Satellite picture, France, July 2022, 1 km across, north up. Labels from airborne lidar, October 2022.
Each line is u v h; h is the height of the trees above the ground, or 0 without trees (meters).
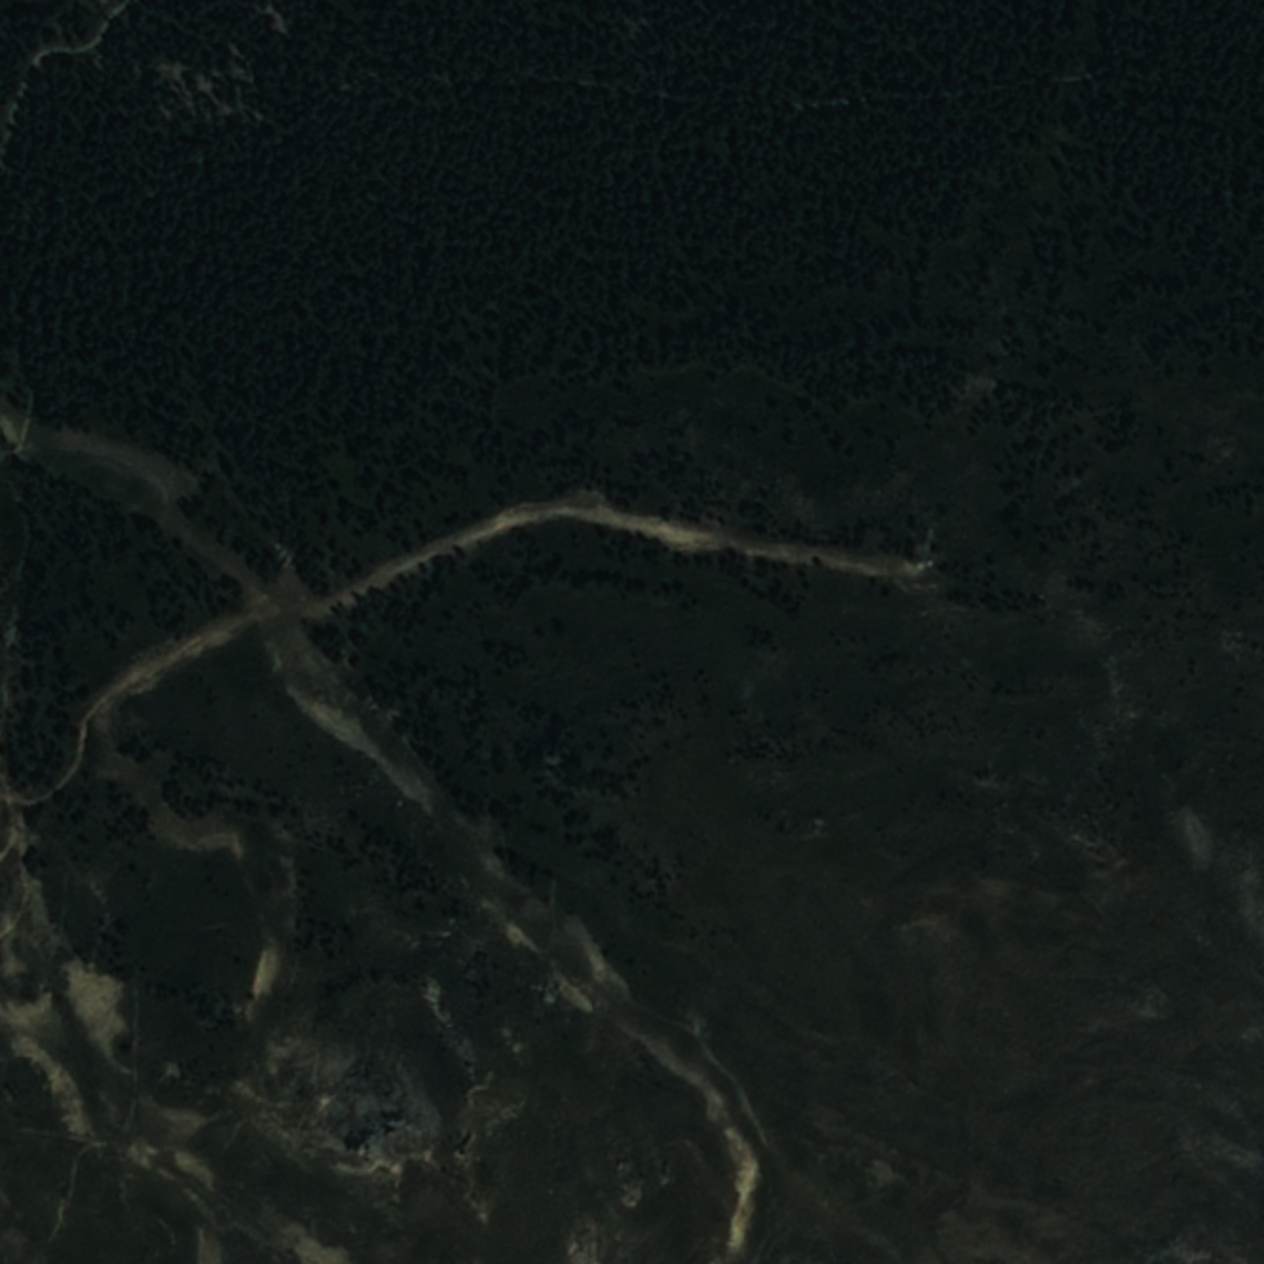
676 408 0
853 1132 0
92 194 20
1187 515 0
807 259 18
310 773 0
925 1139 0
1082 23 23
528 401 0
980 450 0
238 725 0
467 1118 0
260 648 0
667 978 0
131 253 16
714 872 0
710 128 19
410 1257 0
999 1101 0
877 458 0
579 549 7
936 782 0
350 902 0
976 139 13
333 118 16
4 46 17
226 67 16
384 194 18
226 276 14
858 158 14
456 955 0
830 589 0
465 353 14
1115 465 0
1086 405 10
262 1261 0
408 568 0
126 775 0
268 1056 0
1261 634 0
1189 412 0
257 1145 0
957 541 0
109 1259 0
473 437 14
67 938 0
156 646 0
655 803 0
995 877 0
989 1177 0
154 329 16
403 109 17
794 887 0
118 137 16
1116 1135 0
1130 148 14
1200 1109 0
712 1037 0
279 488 12
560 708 0
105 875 0
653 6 18
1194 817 0
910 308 0
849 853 0
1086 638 0
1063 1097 0
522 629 0
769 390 0
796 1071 0
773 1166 0
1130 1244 0
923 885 0
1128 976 0
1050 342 14
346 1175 0
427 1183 0
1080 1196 0
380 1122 0
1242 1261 0
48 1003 0
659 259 19
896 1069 0
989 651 0
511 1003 0
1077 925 0
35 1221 0
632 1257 0
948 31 14
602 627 0
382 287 12
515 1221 0
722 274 18
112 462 0
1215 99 8
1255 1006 0
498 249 22
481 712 8
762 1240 0
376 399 12
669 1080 0
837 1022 0
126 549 15
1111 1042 0
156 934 0
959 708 0
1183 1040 0
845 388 14
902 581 0
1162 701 0
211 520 9
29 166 20
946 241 9
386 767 0
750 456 0
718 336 12
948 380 9
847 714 0
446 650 0
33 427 0
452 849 0
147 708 0
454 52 15
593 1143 0
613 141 13
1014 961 0
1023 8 24
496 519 0
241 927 0
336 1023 0
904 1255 0
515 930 0
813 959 0
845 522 0
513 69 20
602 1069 0
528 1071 0
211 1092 0
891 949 0
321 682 0
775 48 17
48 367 21
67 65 19
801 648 0
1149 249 13
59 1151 0
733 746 0
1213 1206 0
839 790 0
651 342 7
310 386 15
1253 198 17
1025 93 17
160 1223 0
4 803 0
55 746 9
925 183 21
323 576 9
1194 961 0
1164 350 14
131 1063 0
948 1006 0
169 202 14
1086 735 0
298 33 16
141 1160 0
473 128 15
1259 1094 0
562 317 17
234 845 0
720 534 0
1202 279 14
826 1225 0
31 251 23
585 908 0
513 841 0
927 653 0
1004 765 0
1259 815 0
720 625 0
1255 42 18
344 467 0
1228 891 0
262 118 11
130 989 0
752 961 0
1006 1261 0
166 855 0
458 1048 0
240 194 19
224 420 18
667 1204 0
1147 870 0
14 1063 0
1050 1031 0
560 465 7
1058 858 0
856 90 15
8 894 0
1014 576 0
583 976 0
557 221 18
